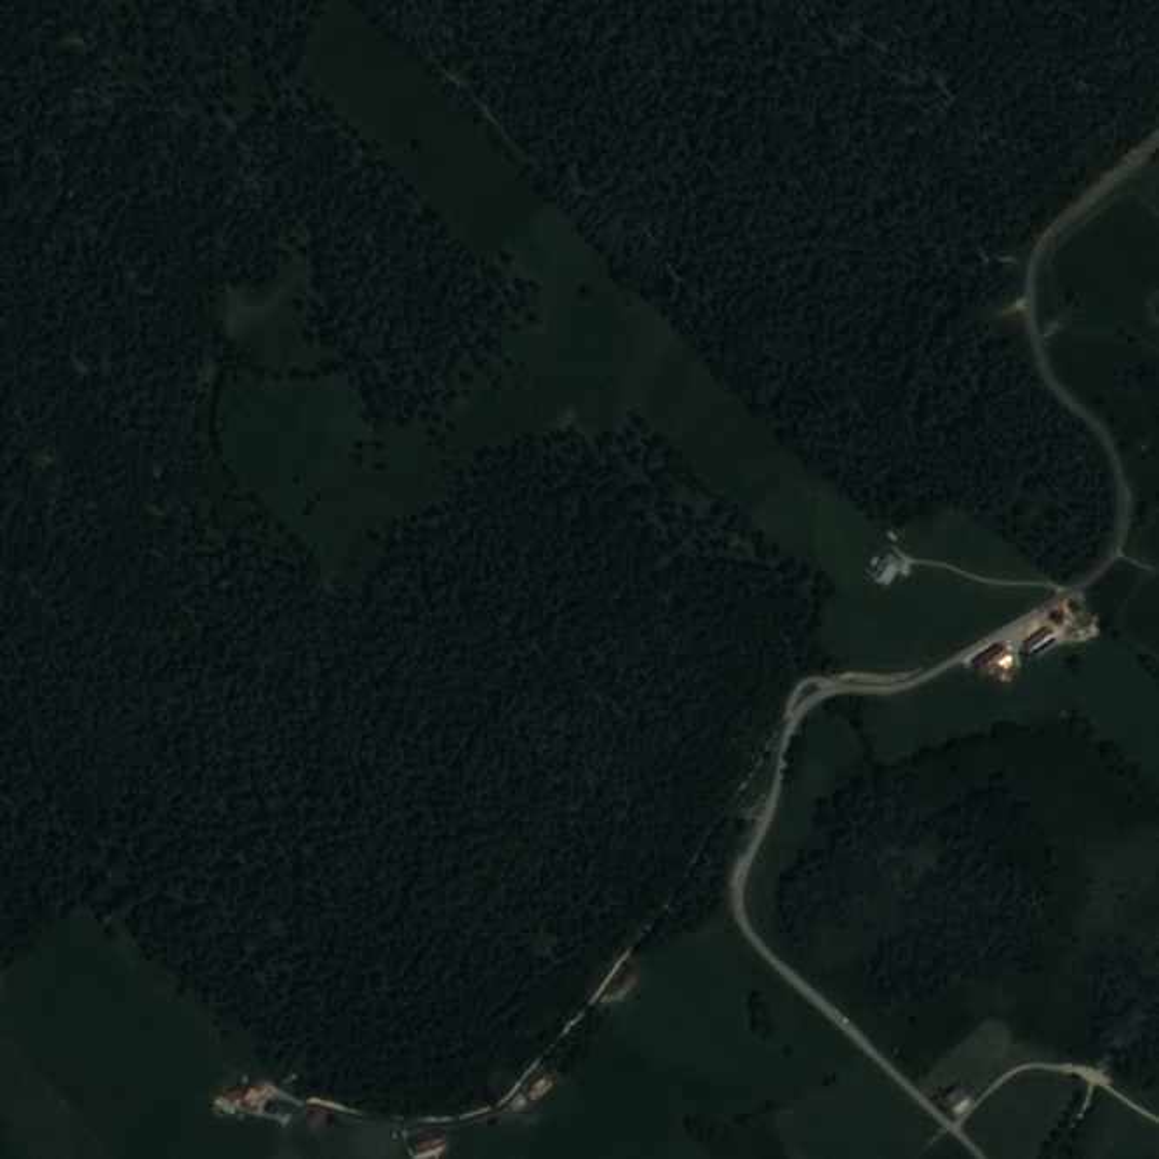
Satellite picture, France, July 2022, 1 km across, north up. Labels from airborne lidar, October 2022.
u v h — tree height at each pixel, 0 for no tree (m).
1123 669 0
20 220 19
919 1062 0
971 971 11
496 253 0
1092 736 15
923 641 0
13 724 25
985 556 0
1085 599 0
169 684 19
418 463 0
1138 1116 0
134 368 17
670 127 7
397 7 11
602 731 21
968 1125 0
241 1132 0
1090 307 0
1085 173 20
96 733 28
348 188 31
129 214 13
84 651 24
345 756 21
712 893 24
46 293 19
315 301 0
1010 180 21
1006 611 0
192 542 22
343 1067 14
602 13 26
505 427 0
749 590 26
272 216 19
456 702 21
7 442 29
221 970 17
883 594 0
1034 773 0
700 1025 0
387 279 23
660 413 0
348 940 14
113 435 25
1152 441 0
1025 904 15
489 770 20
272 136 27
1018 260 0
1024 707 0
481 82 18
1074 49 18
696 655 17
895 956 17
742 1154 0
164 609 17
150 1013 0
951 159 24
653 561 24
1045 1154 10
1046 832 0
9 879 32
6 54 23
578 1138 0
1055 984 0
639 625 27
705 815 12
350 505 0
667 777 19
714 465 0
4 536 20
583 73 15
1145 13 15
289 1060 10
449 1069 15
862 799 17
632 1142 0
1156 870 0
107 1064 0
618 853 19
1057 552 21
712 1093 0
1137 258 0
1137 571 0
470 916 14
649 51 23
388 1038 12
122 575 21
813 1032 0
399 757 29
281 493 0
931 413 24
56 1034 0
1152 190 0
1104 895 0
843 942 0
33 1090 0
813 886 11
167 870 23
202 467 24
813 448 26
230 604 23
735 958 0
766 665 22
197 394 9
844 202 26
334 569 0
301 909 21
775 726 14
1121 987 10
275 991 16
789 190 23
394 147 0
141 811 26
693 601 19
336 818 25
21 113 23
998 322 0
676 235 13
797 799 0
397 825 19
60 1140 0
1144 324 0
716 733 15
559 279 0
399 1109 16
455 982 25
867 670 0
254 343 0
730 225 29
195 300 21
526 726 24
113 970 0
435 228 27
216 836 25
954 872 10
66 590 23
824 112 24
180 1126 0
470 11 14
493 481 21
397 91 0
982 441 24
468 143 0
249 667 20
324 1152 0
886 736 0
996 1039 0
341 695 19
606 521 21
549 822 21
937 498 19
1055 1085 0
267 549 7
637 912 14
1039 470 20
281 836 26
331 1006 14
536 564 17
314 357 0
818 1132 0
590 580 22
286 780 30
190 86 14
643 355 0
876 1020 0
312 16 19
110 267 23
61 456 21
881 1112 0
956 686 0
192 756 25
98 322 20
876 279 25
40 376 18
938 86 21
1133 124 11
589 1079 0
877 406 19
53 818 28
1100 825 0
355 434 0
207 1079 0
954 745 15
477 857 20
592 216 14
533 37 29
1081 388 0
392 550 18
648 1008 0
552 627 24
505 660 21
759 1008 22
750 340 16
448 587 13
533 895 17
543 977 20
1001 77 18
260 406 0
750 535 14
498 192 0
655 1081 0
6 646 22
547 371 0
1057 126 24
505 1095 0
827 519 0
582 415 0
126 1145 0
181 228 22
